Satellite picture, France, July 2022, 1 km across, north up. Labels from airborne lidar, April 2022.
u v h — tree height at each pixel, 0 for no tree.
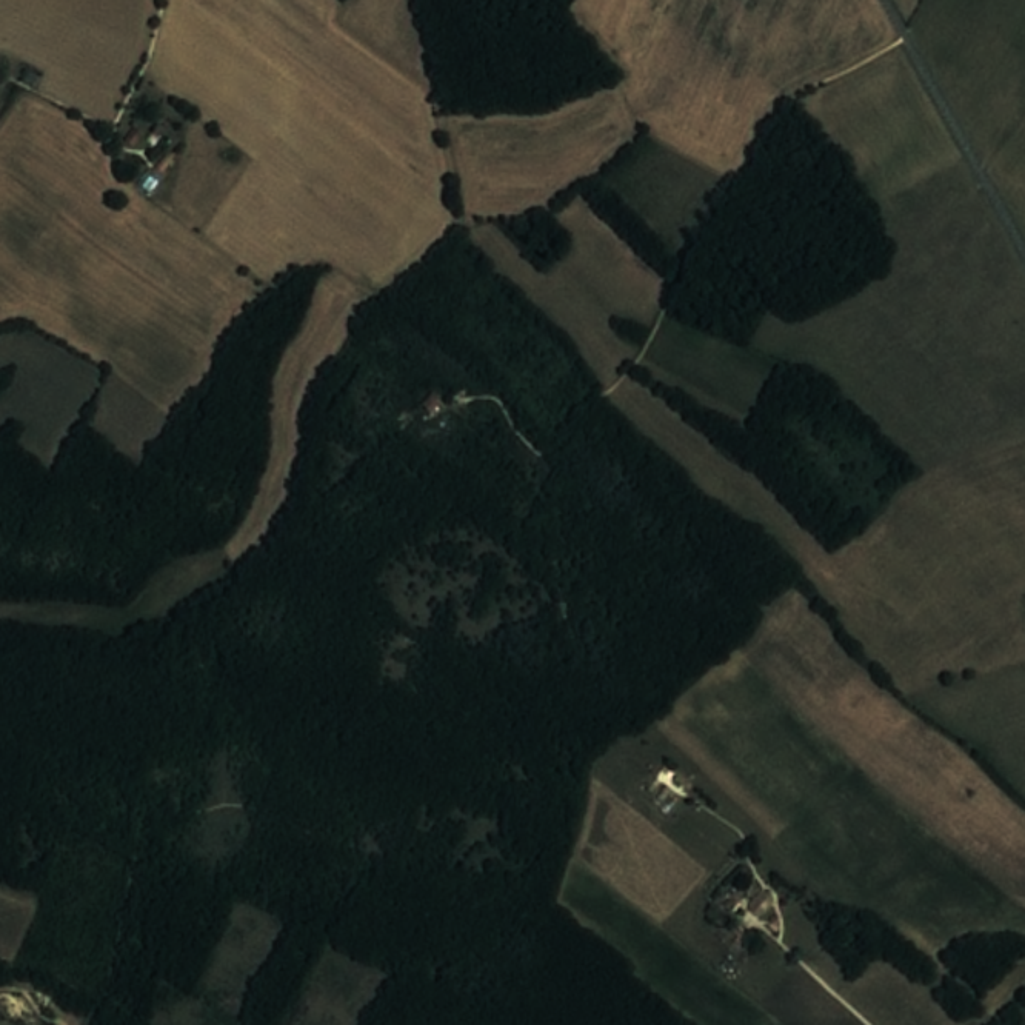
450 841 10
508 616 10
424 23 17
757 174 18
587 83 19
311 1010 0
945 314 0
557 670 11
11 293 0
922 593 0
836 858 0
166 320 0
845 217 19
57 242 0
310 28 0
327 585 13
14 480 8
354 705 20
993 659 0
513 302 11
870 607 0
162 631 8
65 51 0
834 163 22
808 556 0
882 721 0
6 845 13
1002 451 0
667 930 0
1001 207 0
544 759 13
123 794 11
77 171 0
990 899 0
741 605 18
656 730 0
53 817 11
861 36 0
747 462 18
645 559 11
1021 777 0
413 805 10
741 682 0
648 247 21
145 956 10
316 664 12
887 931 15
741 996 0
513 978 15
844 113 0
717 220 17
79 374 0
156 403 0
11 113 0
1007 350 0
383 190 0
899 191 0
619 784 0
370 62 0
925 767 0
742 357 0
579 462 17
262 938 0
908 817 0
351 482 15
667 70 0
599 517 12
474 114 13
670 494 11
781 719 0
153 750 13
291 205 0
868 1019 0
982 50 0
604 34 0
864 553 0
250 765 7
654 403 0
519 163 0
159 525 14
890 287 0
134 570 11
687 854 0
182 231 0
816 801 0
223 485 12
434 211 0
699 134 0
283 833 10
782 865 0
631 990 20
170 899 10
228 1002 0
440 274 7
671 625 16
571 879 0
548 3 15
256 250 0
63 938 0
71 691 16
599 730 15
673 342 0
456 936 15
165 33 0
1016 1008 11
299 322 8
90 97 0
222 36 0
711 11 0
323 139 0
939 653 0
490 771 12
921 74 0
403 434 9
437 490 15
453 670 10
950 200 0
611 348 0
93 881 0
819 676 0
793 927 0
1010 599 0
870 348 0
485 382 10
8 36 0
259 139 0
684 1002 0
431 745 21
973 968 18
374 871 14
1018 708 0
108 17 0
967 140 0
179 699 13
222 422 16
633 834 0
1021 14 0
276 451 0
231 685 11
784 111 12
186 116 7
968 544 0
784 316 15
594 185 14
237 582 17
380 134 0
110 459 10
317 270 6
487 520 16
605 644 19
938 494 0
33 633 17
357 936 17
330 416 16
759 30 0
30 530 9
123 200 17
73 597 17
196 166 0
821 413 9
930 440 0
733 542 22
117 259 0
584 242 0
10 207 0
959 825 0
